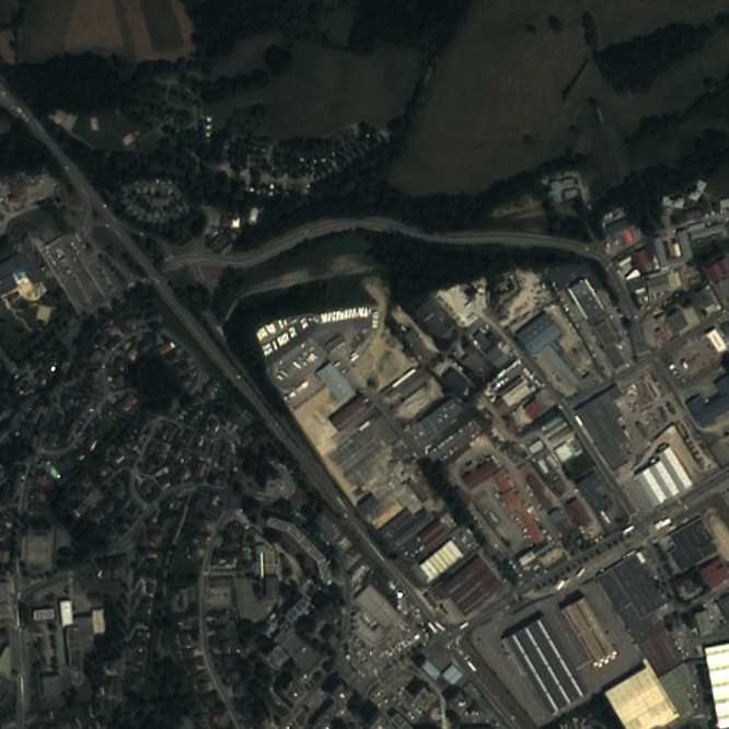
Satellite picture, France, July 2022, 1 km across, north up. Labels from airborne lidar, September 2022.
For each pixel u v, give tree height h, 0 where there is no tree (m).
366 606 0
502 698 0
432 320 0
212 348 0
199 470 0
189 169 15
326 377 0
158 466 11
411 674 0
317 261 0
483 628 0
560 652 0
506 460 0
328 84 0
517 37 0
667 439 0
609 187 0
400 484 0
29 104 17
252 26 17
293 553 0
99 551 20
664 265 0
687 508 0
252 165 0
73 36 0
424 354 0
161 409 17
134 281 0
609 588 0
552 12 0
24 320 0
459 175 0
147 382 19
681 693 0
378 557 0
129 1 0
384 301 0
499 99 0
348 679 0
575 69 0
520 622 0
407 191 0
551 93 0
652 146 0
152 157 18
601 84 0
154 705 16
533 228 0
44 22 0
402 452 0
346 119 0
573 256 7
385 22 26
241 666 10
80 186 0
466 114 0
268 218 19
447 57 0
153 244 14
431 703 0
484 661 0
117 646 10
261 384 20
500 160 0
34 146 18
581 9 0
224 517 0
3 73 21
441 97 0
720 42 0
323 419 0
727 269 0
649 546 0
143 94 11
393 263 26
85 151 18
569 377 0
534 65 0
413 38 23
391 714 0
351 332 0
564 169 15
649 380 0
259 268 0
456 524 8
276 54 21
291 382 0
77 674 0
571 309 0
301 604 0
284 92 0
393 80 0
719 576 0
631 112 0
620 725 13
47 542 0
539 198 0
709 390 0
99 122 0
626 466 0
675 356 0
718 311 0
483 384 13
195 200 17
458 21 14
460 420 0
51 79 24
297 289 10
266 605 0
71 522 14
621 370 0
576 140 0
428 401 0
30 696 0
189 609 10
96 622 0
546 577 0
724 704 0
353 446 0
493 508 0
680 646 0
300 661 0
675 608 0
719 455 0
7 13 0
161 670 13
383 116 0
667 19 0
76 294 0
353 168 15
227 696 0
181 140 16
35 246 0
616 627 0
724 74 0
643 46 14
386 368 0
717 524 0
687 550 0
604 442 0
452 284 11
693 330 0
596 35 17
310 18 11
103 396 0
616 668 0
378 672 0
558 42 0
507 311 0
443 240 0
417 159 0
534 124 0
